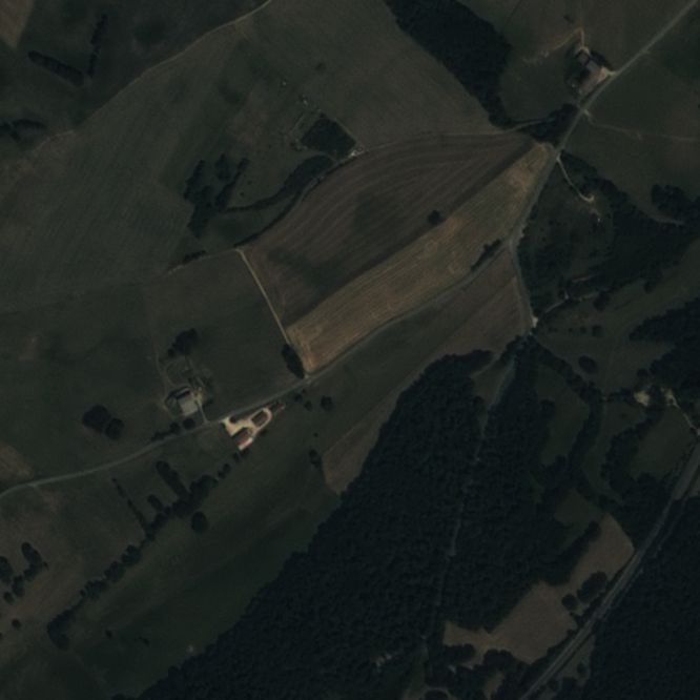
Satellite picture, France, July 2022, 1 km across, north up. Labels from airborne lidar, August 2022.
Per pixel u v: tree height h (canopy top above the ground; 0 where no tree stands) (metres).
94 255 0
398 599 17
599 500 7
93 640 0
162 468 12
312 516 0
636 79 0
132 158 0
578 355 0
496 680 0
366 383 0
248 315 0
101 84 0
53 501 0
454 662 14
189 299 0
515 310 0
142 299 0
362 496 15
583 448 15
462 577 16
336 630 12
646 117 0
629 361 0
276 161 0
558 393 0
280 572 0
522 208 0
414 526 10
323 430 0
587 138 0
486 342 0
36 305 0
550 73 0
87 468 0
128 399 0
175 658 0
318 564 21
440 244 0
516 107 0
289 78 0
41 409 0
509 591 16
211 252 0
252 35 0
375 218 0
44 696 0
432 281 0
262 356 0
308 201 0
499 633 0
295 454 0
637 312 0
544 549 18
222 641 15
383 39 0
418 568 7
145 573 0
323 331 0
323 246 0
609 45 0
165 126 0
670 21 0
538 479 13
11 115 0
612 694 22
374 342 0
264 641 16
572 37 0
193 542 0
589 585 12
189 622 0
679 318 22
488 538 20
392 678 10
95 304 0
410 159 0
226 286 0
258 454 0
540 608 0
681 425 0
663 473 0
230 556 0
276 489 0
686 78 0
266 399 0
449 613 18
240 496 0
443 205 0
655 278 16
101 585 14
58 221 0
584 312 0
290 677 13
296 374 8
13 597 11
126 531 0
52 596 0
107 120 0
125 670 0
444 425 10
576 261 0
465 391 16
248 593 0
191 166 0
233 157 0
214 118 0
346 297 0
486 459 15
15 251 0
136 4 0
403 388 0
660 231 7
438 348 0
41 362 0
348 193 0
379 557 11
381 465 20
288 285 0
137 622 0
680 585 17
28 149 0
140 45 0
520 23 0
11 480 0
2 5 0
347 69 0
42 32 0
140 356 0
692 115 0
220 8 0
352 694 15
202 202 9
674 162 0
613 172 0
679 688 20
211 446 0
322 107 0
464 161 0
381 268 0
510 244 0
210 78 0
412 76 0
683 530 16
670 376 19
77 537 0
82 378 0
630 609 17
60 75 10
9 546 0
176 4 0
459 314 0
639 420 0
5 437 0
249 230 0
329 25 0
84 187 0
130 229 0
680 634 25
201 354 0
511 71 0
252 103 0
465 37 25
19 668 0
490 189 0
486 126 0
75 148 0
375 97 0
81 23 0
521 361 14
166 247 0
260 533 0
